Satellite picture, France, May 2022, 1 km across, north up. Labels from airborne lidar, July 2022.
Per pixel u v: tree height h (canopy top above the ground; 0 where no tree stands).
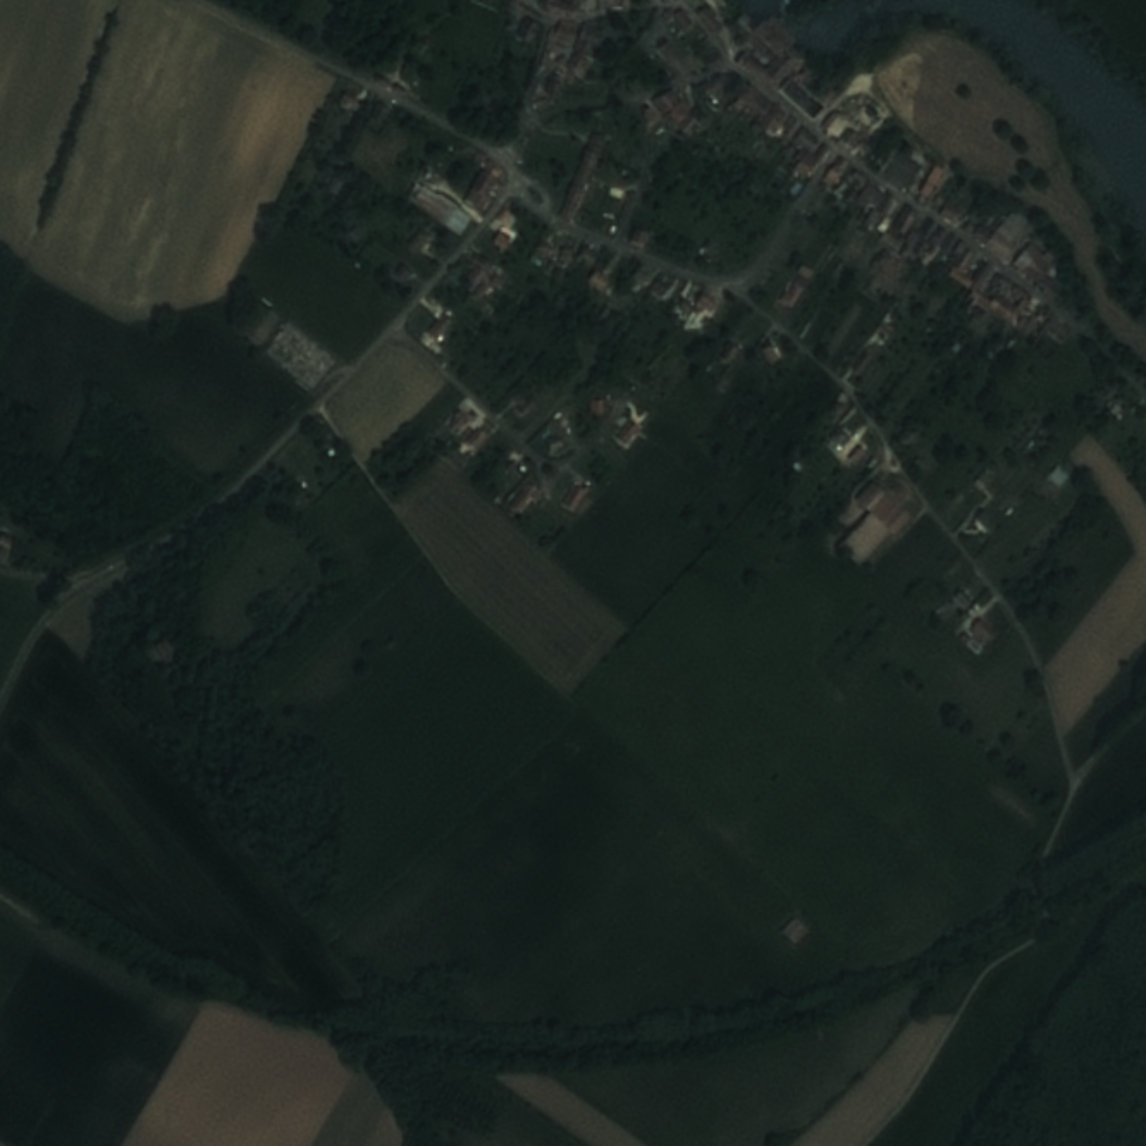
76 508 19
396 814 0
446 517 0
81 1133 0
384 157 0
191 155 0
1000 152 0
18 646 0
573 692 0
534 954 0
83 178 0
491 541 0
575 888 0
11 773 0
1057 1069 16
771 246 0
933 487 0
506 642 0
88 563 19
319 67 0
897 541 0
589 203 0
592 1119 0
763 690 0
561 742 0
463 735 0
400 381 0
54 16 0
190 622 12
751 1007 16
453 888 0
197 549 22
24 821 0
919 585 6
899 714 0
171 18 0
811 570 0
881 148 14
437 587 0
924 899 0
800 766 0
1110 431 10
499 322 8
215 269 0
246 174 0
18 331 0
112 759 0
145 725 13
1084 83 0
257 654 10
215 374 0
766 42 0
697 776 0
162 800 0
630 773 0
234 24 0
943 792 0
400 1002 15
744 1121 0
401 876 0
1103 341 12
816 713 0
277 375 0
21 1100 0
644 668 0
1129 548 0
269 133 0
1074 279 15
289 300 0
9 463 19
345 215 17
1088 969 20
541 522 0
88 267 0
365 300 0
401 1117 17
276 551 0
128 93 0
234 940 0
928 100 0
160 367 0
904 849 0
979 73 0
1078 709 0
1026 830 0
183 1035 0
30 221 0
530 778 0
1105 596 0
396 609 0
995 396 12
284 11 25
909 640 0
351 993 0
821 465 0
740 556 0
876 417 14
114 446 11
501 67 7
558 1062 10
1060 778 0
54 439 0
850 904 0
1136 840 26
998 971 0
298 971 0
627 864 0
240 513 13
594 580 0
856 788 0
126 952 9
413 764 0
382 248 0
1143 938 19
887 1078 0
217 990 15
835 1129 0
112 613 21
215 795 20
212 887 0
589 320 8
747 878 0
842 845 0
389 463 10
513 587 0
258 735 13
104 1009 0
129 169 0
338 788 12
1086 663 0
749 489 0
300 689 0
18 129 0
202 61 0
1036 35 0
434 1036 9
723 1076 0
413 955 0
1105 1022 17
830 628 0
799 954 0
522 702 0
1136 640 0
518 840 0
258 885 0
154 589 15
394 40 25
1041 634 0
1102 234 21
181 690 12
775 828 0
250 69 0
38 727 0
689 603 0
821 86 11
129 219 0
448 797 0
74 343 0
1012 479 0
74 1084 0
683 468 0
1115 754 0
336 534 0
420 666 0
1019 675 0
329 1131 0
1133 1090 14
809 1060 0
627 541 0
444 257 10
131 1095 0
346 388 0
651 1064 10
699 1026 24
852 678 0
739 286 0
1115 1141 13
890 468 0
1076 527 11
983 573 0
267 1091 0
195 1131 0
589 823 0
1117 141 0
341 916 0
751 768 0
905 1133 0
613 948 0
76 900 16
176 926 0
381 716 0
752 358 13
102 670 23
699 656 0
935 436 0
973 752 0
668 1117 0
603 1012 0
